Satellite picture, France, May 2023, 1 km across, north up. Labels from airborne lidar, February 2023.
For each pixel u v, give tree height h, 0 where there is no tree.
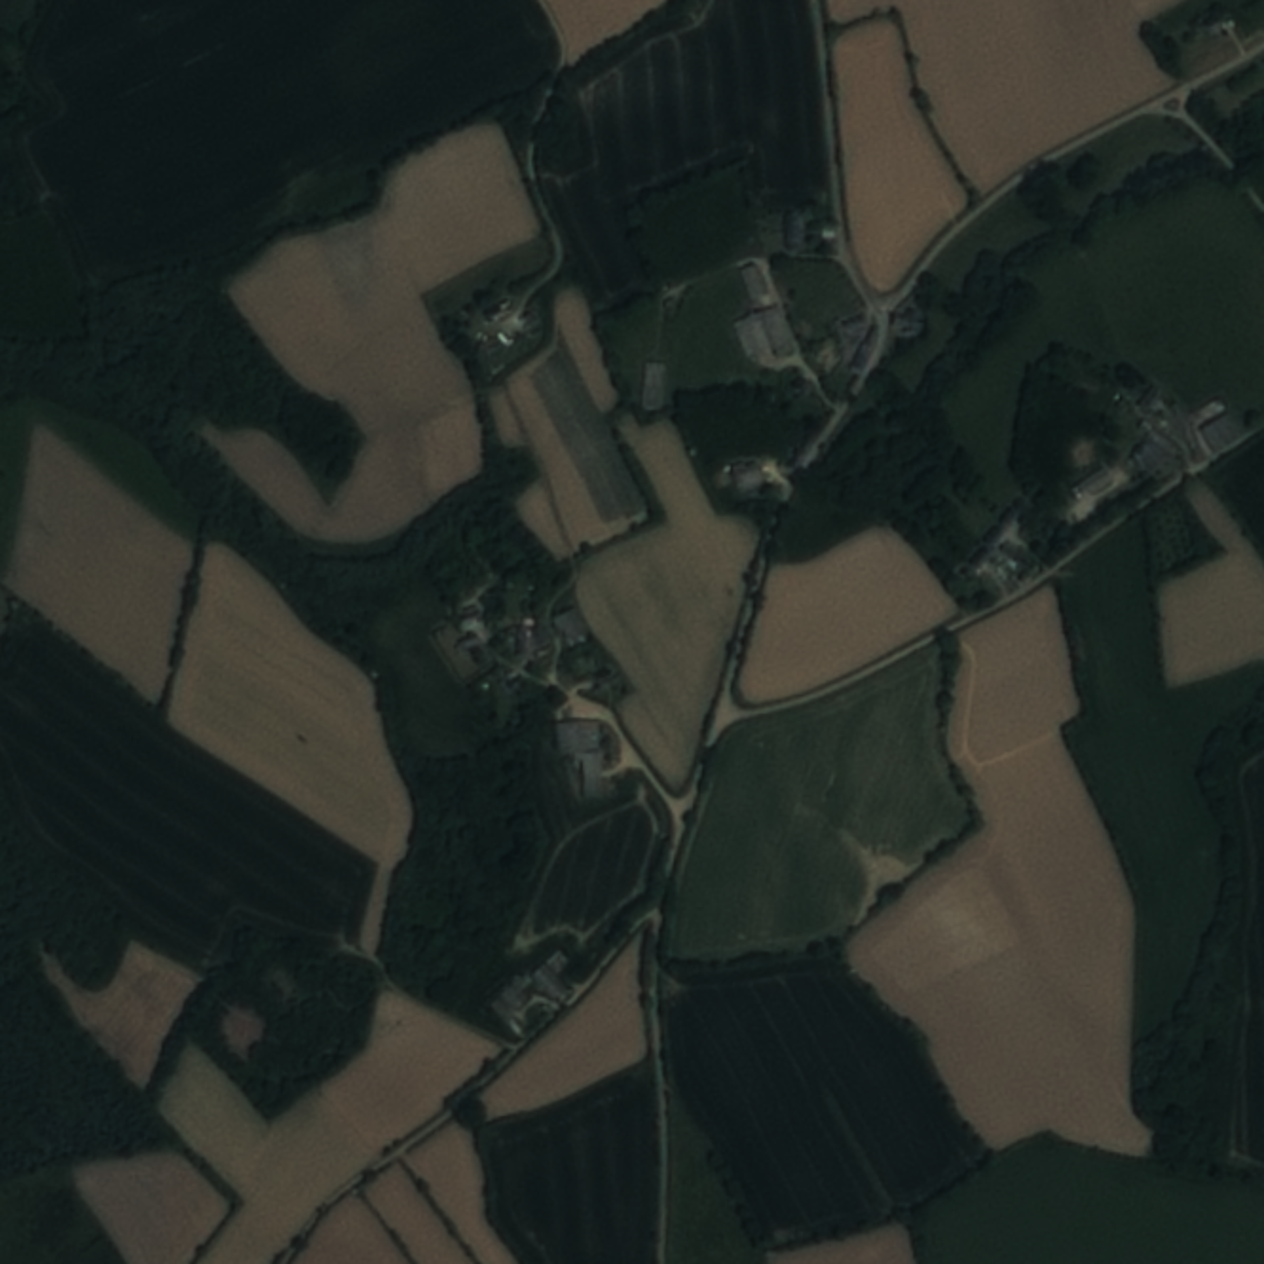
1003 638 0
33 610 7
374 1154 0
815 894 0
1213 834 0
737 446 0
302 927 0
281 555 11
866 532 0
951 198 0
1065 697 0
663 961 10
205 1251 8
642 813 0
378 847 0
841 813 0
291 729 0
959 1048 0
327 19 0
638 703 0
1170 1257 0
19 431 0
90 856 0
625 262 0
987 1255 0
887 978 0
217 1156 0
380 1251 0
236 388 8
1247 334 0
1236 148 9
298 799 0
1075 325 0
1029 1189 0
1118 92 0
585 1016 0
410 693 0
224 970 7
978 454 0
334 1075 10
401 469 0
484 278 0
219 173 0
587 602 0
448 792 9
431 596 0
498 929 7
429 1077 0
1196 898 0
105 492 0
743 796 0
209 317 6
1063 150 0
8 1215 0
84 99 0
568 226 0
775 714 0
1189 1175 7
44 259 0
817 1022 0
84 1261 0
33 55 0
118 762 0
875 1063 0
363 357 0
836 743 0
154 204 0
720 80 0
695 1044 0
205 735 0
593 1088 0
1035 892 0
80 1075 11
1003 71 0
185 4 0
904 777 0
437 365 0
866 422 13
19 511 0
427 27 0
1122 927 0
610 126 0
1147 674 0
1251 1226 0
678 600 0
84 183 0
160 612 0
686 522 0
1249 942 0
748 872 0
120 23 0
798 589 0
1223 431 0
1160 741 0
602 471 0
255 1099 9
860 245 0
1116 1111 0
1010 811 0
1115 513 15
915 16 0
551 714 0
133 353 10
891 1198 0
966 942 0
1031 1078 0
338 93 0
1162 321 0
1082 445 0
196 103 0
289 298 0
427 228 0
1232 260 0
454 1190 0
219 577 0
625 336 0
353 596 8
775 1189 0
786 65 0
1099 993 0
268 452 0
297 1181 0
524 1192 0
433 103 0
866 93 0
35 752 0
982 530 0
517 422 0
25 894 8
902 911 0
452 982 7
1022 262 10
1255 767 0
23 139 0
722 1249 0
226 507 11
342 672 0
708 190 0
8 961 17
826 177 0
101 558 0
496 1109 0
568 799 0
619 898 0
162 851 0
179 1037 12
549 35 0
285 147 0
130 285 8
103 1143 17
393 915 8
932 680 0
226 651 0
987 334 15
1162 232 0
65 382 10
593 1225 0
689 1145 0
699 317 0
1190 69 0
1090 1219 0
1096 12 0
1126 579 0
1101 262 0
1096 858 0
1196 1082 8
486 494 11
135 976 0
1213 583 0
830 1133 0
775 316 0
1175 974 0
